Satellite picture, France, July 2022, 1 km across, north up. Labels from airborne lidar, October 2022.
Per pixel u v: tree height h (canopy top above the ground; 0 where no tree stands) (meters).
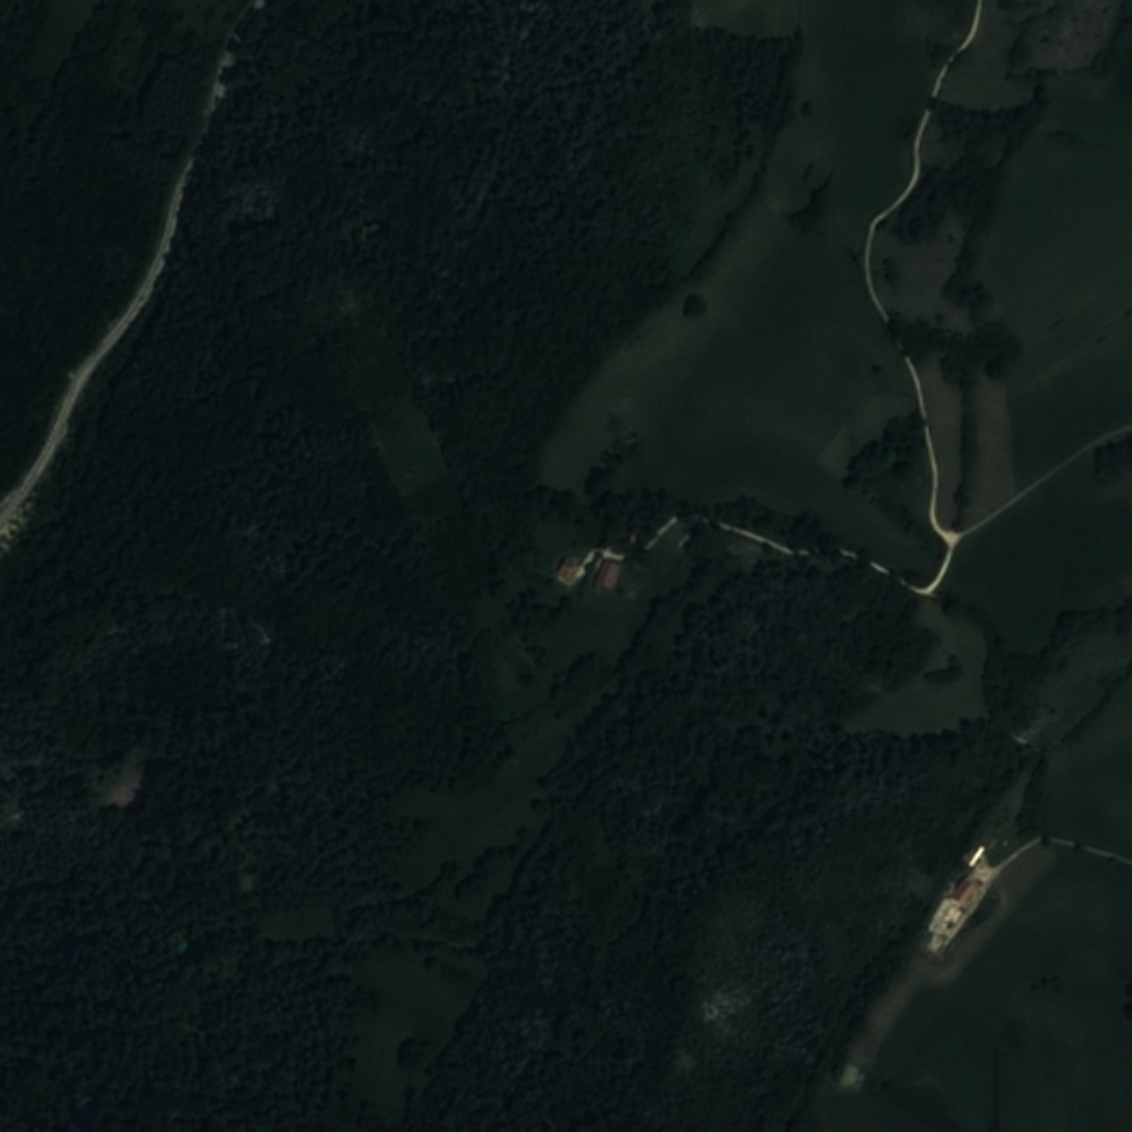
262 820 13
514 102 6
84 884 27
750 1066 6
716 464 0
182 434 25
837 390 0
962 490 8
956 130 8
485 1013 14
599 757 21
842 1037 9
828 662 6
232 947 21
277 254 29
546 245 24
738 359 0
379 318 13
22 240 18
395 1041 0
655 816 9
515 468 18
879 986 18
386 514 25
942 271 0
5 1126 33
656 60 15
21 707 21
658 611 19
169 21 9
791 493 0
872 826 9
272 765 21
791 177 0
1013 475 0
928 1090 0
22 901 34
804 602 5
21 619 25
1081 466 0
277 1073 17
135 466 28
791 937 6
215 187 31
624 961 15
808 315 0
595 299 10
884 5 0
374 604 16
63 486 20
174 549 26
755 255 0
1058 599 0
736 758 21
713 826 21
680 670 7
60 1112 13
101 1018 18
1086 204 0
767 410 0
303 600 17
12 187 18
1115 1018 0
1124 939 0
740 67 10
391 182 27
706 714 9
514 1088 9
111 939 33
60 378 23
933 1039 0
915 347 9
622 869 7
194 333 29
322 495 12
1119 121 0
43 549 27
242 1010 20
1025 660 7
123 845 30
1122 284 0
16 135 17
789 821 23
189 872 29
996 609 0
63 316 19
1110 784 0
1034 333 0
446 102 16
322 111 21
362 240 31
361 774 21
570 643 0
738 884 8
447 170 17
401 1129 8
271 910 15
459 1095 20
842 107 0
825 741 10
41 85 18
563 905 20
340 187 32
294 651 23
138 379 29
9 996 20
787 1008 6
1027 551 0
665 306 6
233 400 30
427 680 18
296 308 21
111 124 13
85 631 11
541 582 6
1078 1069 0
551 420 20
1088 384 0
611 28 9
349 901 8
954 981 0
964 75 0
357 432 14
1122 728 0
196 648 11
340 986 20
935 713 0
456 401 20
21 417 23
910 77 0
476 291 15
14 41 16
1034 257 0
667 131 9
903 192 0
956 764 13
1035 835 7
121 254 18
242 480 26
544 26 27
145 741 26
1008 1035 0
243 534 21
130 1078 31
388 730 22
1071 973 0
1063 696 0
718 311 0
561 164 24
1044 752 5
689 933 18
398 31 14
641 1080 20
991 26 0
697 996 9
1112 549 0
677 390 0
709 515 17
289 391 26
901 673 8
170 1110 17
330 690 25
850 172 0
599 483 22
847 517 0
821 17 0
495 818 0
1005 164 7
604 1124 28
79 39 8
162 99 27
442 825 0
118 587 20
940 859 8
